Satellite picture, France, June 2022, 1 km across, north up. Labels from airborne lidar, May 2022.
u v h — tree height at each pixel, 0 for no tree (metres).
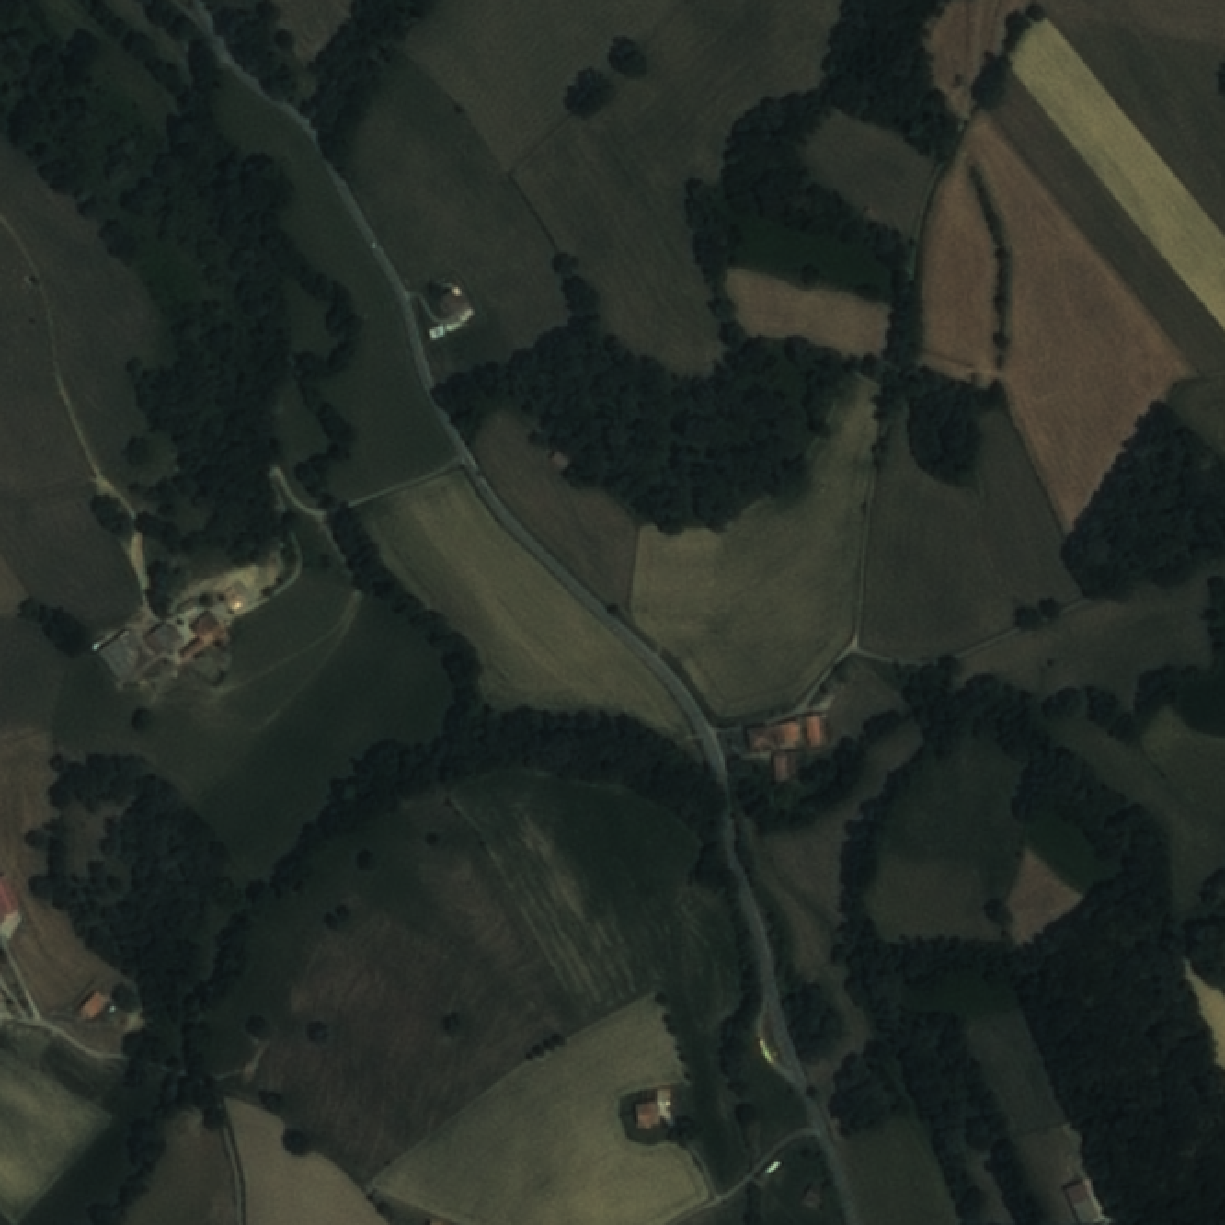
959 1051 7
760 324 0
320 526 0
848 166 0
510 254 0
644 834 0
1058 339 0
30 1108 0
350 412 0
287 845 0
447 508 0
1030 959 16
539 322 0
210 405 25
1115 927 27
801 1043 14
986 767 0
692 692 0
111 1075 0
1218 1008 0
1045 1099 0
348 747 0
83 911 14
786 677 0
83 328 0
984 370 0
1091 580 17
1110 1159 23
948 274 0
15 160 0
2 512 0
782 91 0
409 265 0
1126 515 23
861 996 12
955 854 0
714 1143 0
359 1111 0
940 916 0
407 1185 0
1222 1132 33
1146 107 0
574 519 0
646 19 0
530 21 0
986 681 18
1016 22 14
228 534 8
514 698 0
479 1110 0
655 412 24
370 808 22
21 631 0
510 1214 0
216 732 0
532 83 0
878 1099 26
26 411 0
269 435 19
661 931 0
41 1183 0
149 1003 19
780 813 8
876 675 0
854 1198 0
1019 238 0
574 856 0
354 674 0
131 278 0
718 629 0
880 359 15
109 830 14
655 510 24
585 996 0
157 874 17
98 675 0
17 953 0
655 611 0
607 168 0
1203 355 0
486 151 0
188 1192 0
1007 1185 23
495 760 19
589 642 0
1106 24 0
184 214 6
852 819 0
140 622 0
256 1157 0
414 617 17
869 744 6
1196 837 0
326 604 0
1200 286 0
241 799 0
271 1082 0
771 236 0
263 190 23
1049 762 24
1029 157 0
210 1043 15
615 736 23
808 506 0
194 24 18
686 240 0
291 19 0
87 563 0
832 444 0
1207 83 0
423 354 0
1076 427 0
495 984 0
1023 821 15
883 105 26
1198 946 23
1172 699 15
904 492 0
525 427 0
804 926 0
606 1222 0
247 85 0
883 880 0
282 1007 0
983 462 0
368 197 0
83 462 0
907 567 0
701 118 0
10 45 20
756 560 0
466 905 0
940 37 0
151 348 0
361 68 25
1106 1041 30
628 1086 0
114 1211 17
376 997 0
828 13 0
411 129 0
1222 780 0
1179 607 0
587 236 0
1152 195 0
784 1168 0
